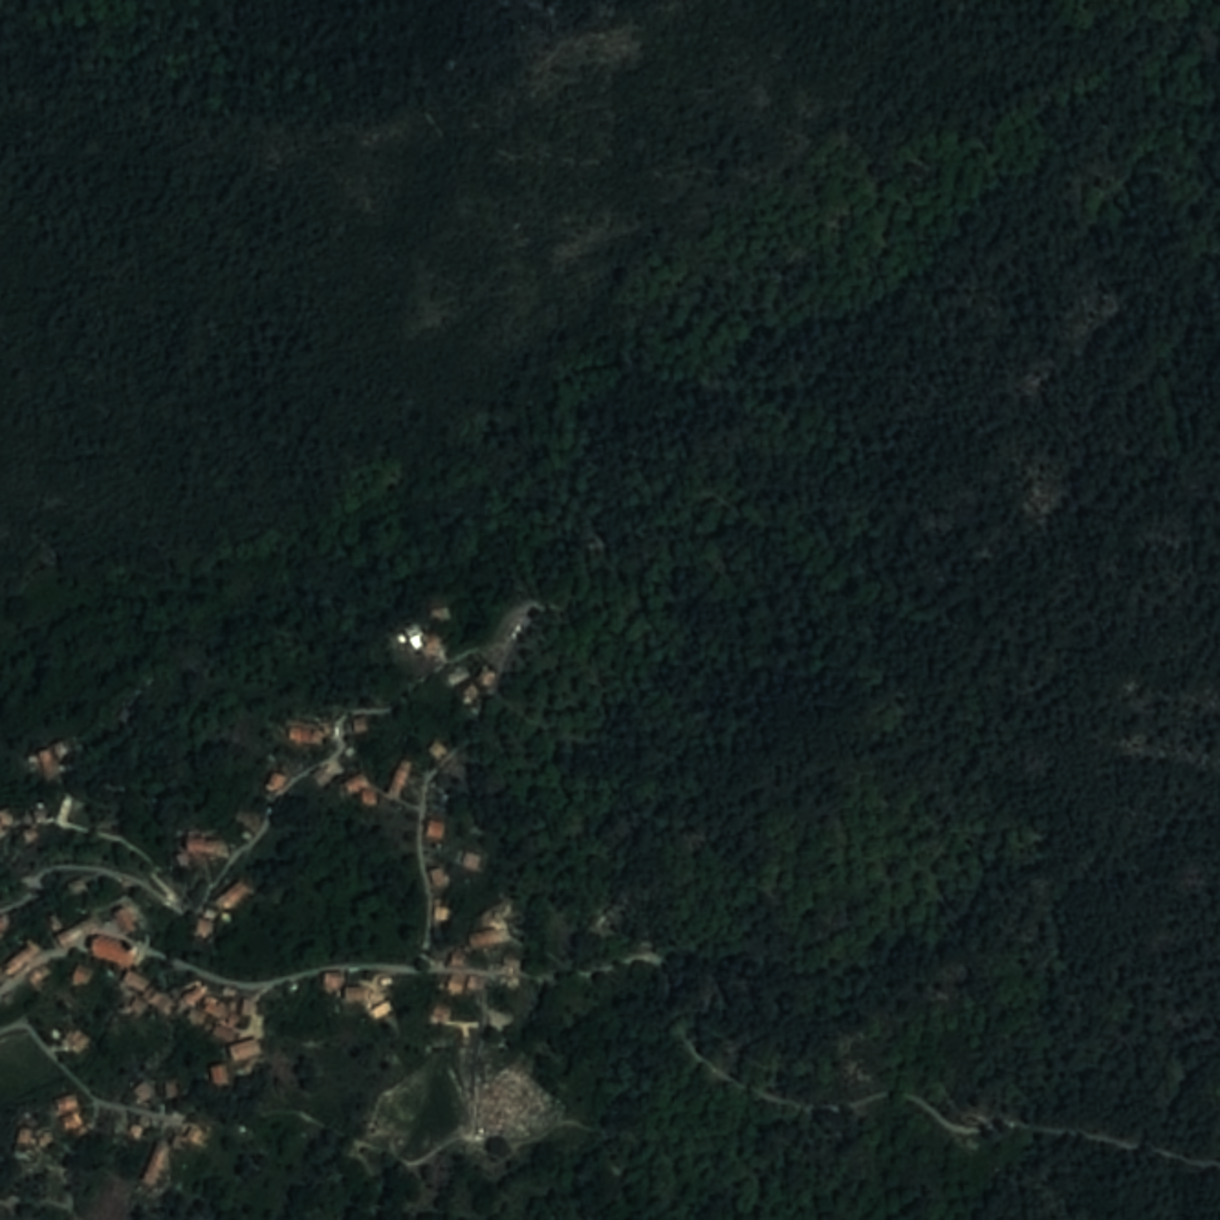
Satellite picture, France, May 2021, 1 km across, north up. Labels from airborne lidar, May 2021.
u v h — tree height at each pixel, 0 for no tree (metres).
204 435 15
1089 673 13
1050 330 19
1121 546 6
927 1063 17
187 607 19
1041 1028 12
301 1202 21
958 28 14
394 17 10
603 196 7
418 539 8
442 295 6
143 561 20
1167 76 18
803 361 16
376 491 23
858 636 12
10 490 7
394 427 14
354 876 17
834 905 10
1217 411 19
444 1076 0
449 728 8
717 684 8
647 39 12
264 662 12
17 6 8
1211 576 15
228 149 12
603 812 11
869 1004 16
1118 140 12
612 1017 16
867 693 19
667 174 6
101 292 16
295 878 15
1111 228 14
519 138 9
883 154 19
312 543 10
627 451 14
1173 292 24
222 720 16
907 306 17
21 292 11
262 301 11
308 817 17
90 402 13
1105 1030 27
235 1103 18
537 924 17
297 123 8
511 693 16
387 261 8
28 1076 0
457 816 19
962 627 19
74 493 7
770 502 19
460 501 6
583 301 8
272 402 19
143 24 8
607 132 10
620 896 15
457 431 16
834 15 9
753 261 11
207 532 10
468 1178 18
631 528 9
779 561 18
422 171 11
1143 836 18
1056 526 16
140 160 7
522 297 6
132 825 10
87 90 15
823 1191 17
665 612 15
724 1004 13
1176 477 15
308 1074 15
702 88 7
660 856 15
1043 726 21
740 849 17
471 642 11
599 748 9
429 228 7
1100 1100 20
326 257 9
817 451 17
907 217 13
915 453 10
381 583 20
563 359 22
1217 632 17
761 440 14
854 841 13
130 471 12
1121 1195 18
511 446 21
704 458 9
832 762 21
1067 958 16
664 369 11
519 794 14
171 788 12
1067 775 21
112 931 0
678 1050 15
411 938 19
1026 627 18
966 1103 7
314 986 8
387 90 16
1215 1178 16
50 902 15
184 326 14
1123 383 17
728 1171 20
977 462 12
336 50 12
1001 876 13
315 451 20
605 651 13
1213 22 14
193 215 11
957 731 21
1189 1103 24
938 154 15
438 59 10
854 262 15
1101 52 23
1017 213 24
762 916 21
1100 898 17
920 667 18
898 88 20
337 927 7
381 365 11
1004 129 17
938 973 16
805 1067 13
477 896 0
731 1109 19
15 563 14
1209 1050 19
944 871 25
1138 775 21
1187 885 21
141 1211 12
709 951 17
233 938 12
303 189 9
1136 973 17
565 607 7
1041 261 28
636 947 11
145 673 15
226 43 15
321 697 8
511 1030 11
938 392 11
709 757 20
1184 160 15
